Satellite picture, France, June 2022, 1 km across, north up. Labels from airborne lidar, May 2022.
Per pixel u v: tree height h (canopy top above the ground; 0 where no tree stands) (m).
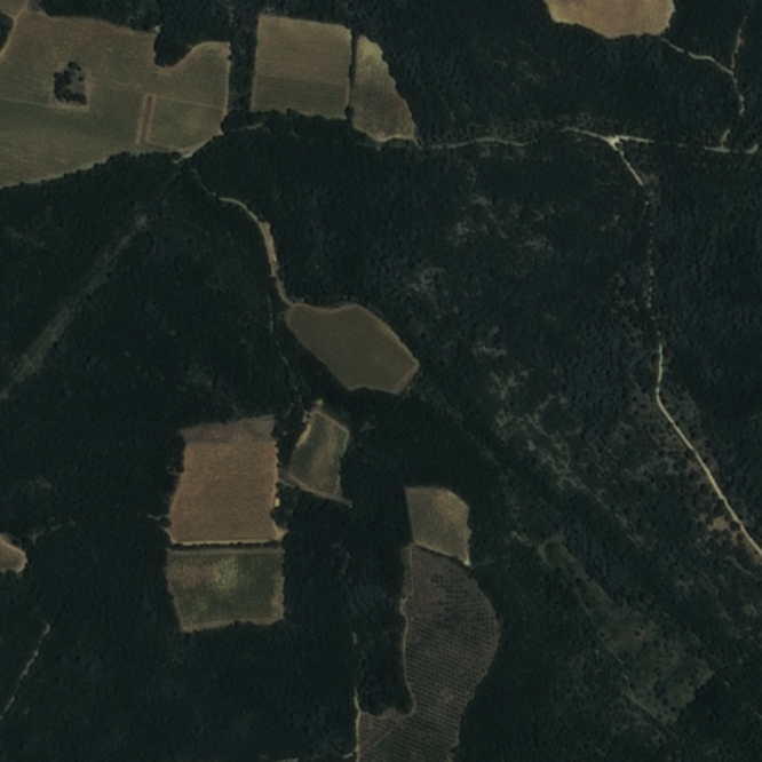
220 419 7
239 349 6
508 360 8
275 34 0
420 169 8
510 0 13
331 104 0
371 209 11
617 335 18
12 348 6
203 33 9
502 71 6
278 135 13
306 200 7
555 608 11
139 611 6
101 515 11
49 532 11
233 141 15
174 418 10
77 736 10
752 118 9
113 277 14
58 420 6
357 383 0
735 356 14
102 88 0
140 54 0
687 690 0
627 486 10
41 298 6
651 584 10
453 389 14
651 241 12
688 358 16
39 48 0
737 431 9
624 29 0
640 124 8
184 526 0
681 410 16
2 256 8
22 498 9
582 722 9
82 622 10
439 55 7
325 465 0
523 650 8
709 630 10
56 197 12
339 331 0
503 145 6
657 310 13
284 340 10
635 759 14
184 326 9
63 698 6
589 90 6
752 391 14
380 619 14
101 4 10
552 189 7
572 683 12
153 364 9
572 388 17
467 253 8
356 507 9
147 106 0
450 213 10
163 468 8
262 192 15
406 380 0
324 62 0
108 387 7
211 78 0
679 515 7
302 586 10
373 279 17
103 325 6
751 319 11
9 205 10
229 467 0
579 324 6
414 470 6
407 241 7
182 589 0
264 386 9
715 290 14
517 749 7
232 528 0
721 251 15
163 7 9
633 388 16
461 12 7
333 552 16
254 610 0
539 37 14
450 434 8
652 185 8
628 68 12
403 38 9
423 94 7
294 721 14
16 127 0
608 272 9
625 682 11
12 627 9
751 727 10
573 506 7
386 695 11
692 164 9
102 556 9
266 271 10
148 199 5
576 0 0
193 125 0
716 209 8
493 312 5
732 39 7
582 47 9
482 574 6
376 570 16
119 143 0
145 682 8
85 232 8
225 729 8
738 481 8
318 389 7
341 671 9
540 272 8
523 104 7
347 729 10
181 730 8
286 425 8
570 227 10
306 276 7
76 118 0
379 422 8
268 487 0
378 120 0
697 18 8
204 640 8
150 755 13
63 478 6
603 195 7
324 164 12
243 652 10
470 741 7
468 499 7
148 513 11
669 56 11
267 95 0
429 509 0
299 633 5
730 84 7
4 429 12
